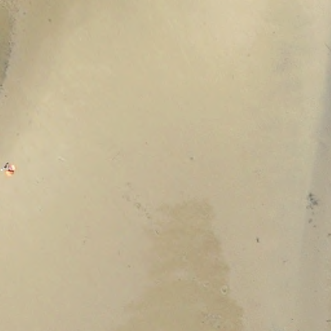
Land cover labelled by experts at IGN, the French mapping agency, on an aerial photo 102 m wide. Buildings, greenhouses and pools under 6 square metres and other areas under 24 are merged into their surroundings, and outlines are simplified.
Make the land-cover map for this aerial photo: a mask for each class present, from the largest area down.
<instances>
[{"label":"bare soil","instance_id":"1","mask_svg":"<svg viewBox=\"0 0 331 331\"><path fill-rule=\"evenodd\" d=\"M0 331H331V0H0Z\"/></svg>","mask_w":331,"mask_h":331}]
</instances>
